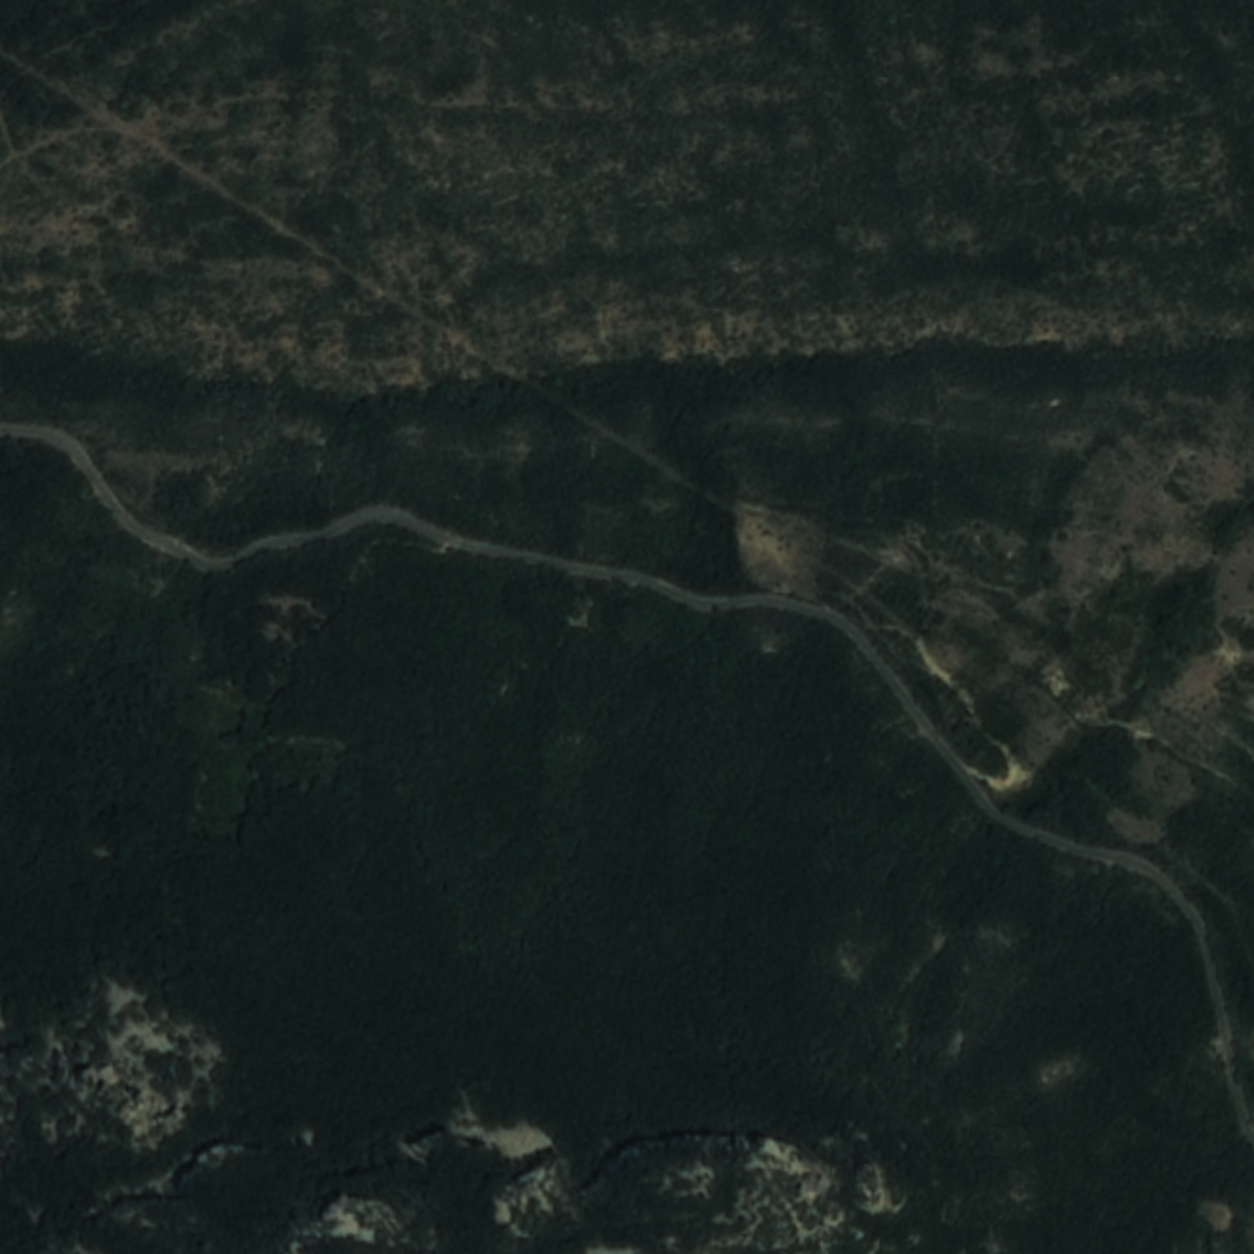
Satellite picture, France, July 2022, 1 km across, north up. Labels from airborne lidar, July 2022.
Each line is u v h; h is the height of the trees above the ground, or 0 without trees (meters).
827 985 8
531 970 10
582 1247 9
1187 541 0
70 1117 7
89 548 8
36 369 6
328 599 11
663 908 11
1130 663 0
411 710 7
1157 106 8
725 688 9
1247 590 0
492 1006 10
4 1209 13
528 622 7
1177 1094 9
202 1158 28
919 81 6
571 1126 11
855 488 5
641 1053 10
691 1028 11
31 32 6
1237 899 7
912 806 7
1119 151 6
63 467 6
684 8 6
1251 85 6
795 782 10
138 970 12
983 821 8
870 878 7
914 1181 10
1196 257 6
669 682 9
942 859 6
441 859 8
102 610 6
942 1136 8
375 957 11
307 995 11
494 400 14
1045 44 7
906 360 9
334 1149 14
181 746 6
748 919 11
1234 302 7
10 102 6
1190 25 7
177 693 7
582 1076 10
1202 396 5
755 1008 11
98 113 0
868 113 7
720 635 6
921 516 6
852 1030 7
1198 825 6
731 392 8
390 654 8
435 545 6
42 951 14
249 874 14
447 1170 8
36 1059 27
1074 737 0
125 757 10
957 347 5
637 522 7
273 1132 14
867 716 7
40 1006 12
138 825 14
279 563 7
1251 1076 6
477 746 6
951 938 7
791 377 9
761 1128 6
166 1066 9
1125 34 6
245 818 12
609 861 9
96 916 18
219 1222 8
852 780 9
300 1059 10
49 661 7
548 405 9
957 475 7
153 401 7
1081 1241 9
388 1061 13
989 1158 8
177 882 13
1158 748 8
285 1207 8
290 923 12
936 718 7
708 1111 12
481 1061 11
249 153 6
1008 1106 8
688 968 10
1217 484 0
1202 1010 9
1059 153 6
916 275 7
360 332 6
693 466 8
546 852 10
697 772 9
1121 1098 6
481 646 6
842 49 6
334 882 11
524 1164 7
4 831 14
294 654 9
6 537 9
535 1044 10
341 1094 13
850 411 7
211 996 12
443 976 11
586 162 5
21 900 13
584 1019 9
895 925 7
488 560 6
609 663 7
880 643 7
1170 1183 6
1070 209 6
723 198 6
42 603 7
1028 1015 7
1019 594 5
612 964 9
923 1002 8
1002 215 6
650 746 8
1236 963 6
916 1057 8
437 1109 11
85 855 14
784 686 7
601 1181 8
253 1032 12
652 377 7
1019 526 6
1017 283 6
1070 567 0
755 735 8
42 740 14
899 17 6
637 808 8
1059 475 6
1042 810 10
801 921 9
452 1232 6
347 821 11
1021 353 8
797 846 8
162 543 0
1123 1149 6
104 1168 13
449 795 8
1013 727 0
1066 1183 6
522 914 9
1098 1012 9
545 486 6
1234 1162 10
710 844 10
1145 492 0
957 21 6
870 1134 10
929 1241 9
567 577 7
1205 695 0
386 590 6
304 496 8
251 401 17
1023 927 6
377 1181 10
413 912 12
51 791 13
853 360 9
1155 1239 8
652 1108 12
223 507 6
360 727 12
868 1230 8
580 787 8
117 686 7
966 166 5
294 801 9
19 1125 8
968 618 0
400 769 6
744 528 0
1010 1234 9
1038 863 7
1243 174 7
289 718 11
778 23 6
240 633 10
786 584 0
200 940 13
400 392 8
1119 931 8
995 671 0
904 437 6
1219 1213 0
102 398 6
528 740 5
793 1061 8
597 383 6
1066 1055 7
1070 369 7
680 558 6
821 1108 11
